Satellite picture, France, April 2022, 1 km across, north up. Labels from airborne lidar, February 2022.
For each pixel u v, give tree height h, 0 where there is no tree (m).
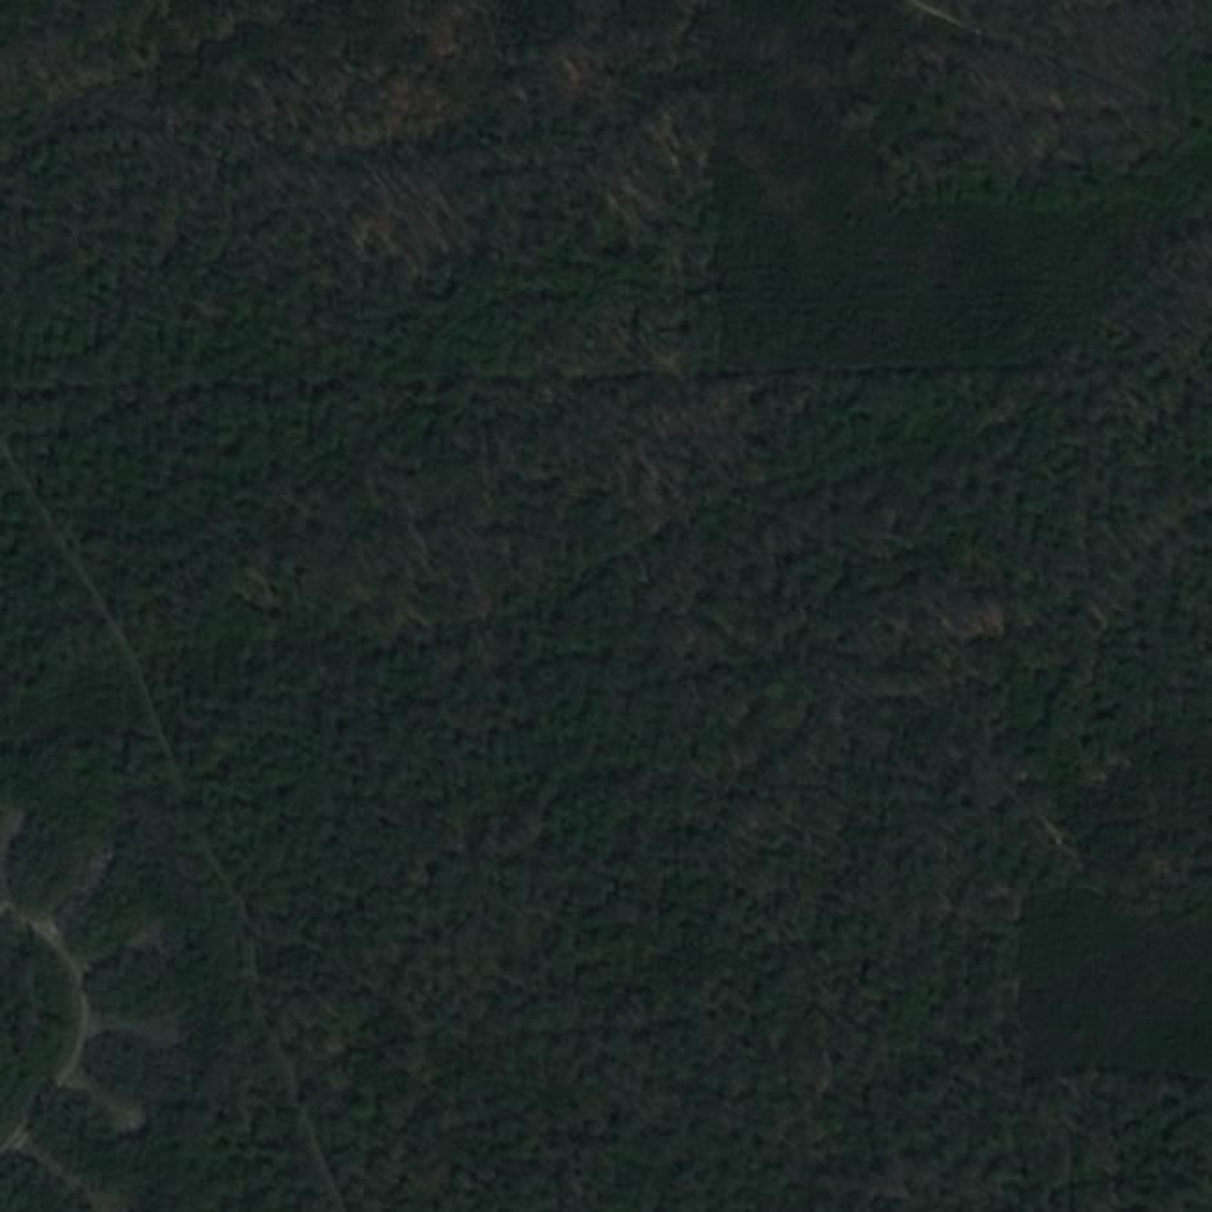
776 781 26
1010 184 23
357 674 24
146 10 26
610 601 24
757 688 25
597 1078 26
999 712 23
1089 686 26
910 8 25
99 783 21
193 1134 26
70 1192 18
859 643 27
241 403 27
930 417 23
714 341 23
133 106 7
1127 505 28
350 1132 27
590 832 24
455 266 0
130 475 0
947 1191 27
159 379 23
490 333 23
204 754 26
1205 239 29
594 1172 27
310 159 23
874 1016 23
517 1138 27
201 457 21
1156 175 24
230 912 12
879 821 26
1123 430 24
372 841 24
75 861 18
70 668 26
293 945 25
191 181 27
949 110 24
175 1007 15
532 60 24
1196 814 12
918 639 6
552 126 26
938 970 26
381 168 27
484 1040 25
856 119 23
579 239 21
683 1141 23
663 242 29
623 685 25
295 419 22
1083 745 25
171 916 22
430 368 22
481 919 24
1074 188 26
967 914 29
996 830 25
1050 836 27
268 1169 19
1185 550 28
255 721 28
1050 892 24
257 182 29
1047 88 33
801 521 25
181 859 24
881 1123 22
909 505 25
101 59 27
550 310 25
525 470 27
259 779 28
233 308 25
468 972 25
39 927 0
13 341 25
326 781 24
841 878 8
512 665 7
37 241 26
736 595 28
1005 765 31
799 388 23
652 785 26
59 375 25
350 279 27
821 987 20
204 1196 22
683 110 25
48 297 26
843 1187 24
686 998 30
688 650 29
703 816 24
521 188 30
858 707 24
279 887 24
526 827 25
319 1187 24
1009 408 21
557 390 26
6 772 25
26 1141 0
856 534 29
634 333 26
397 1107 25
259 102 26
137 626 25
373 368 22
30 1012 23
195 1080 15
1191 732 11
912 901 27
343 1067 15
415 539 29
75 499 23
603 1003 8
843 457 23
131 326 24
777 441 23
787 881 25
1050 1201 30
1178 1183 22
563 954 23
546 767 26
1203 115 25
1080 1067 9
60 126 7
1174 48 28
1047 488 27
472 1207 22
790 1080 23
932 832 27
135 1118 0
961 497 27
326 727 24
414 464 22
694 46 12
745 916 26
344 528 26
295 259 28
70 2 26
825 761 27
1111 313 22
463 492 27
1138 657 25
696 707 27
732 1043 28
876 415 26
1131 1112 28
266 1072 23
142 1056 15
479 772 27
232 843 21
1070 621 25
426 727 25
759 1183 23
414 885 25
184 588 26
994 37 21
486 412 25
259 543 13
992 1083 23
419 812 8
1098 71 26
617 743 25
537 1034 27
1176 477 20
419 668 22
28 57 26
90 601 24
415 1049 25
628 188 33
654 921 25
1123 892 13
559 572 25
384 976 10
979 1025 22
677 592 25
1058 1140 27
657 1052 26
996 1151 28
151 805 25
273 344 29
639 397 25
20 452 22
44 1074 18
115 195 0
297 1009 21
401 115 10
